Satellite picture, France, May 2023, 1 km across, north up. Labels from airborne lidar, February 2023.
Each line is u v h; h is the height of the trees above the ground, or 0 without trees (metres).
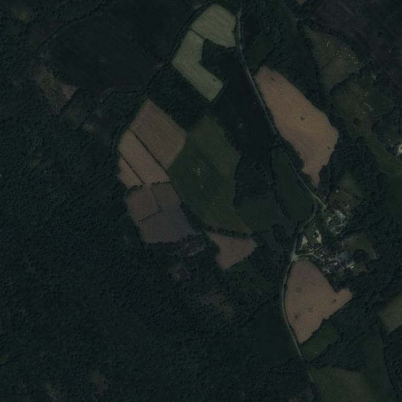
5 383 14
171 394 24
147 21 0
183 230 0
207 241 11
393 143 0
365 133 0
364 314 9
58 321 13
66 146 10
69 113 0
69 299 17
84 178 10
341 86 17
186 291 9
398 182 0
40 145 9
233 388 19
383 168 0
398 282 25
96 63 0
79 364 18
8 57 8
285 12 0
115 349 16
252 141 0
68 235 23
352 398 0
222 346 17
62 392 8
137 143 0
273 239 0
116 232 16
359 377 0
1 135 22
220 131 0
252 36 0
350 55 0
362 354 0
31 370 14
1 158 21
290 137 0
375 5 0
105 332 20
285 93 0
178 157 0
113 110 12
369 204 13
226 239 0
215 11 0
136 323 28
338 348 11
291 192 0
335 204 0
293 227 0
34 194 21
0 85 17
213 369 15
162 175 0
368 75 10
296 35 0
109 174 9
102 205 14
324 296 0
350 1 0
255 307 8
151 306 21
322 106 31
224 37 0
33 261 11
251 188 18
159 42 0
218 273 14
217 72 8
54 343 11
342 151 23
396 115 13
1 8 9
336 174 16
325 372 0
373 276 22
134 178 0
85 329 14
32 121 8
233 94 0
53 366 12
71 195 13
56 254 24
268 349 0
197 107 17
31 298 16
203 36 0
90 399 16
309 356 0
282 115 0
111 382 7
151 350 28
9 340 10
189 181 0
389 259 23
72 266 23
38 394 12
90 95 8
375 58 0
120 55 0
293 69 12
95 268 23
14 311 9
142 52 0
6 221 13
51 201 8
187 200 0
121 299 25
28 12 0
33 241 21
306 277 0
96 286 28
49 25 0
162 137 0
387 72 0
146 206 0
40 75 0
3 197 21
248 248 0
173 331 21
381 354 0
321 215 8
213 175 0
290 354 0
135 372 16
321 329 8
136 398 14
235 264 6
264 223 0
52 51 0
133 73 0
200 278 18
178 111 17
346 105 0
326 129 0
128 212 8
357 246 0
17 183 17
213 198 0
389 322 0
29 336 11
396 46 0
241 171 15
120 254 14
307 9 19
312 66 0
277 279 11
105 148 0
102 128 0
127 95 8
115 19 0
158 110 0
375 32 0
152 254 22
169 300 7
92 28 0
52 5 0
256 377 12
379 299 26
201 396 12
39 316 14
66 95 0
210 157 0
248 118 0
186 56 0
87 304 22
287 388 19
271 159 9
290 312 0
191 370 9
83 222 20
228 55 0
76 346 8
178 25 0
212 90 0
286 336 0
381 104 0
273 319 0
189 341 18
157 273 10
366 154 22
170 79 19
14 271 12
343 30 0
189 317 12
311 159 0
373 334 0
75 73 0
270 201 0
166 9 0
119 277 25
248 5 15
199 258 16
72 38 0
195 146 0
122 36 0
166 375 24
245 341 13
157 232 0
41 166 6
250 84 0
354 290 15
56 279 12
